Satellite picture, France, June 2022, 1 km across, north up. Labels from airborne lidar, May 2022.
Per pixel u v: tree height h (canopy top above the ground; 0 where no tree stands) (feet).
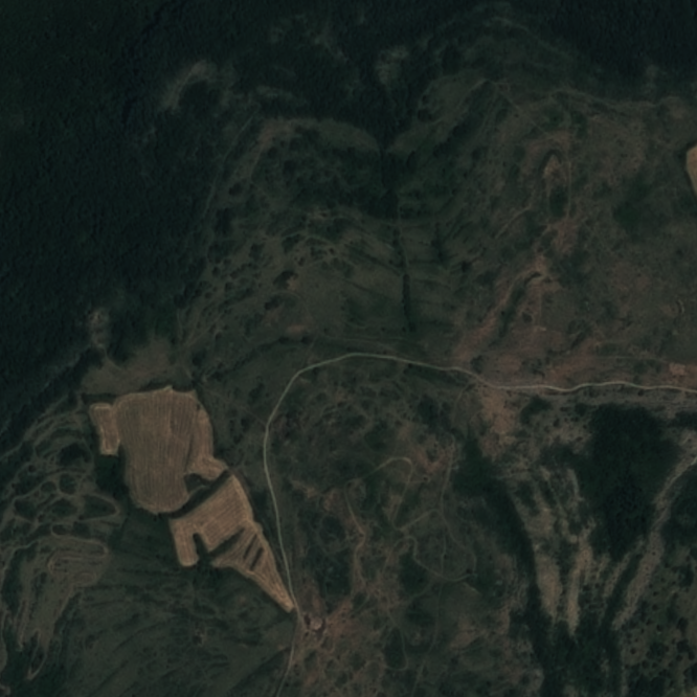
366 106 20
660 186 0
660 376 0
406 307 28
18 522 0
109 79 78
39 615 0
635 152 0
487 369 0
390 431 0
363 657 0
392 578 0
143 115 26
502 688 0
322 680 0
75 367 27
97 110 45
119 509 0
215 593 0
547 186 0
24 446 22
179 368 0
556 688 19
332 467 0
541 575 0
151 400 0
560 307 0
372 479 0
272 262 0
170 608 0
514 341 0
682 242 0
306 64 39
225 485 0
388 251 0
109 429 0
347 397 0
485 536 0
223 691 0
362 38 36
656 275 0
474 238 0
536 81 0
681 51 60
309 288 0
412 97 32
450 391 0
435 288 0
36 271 43
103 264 37
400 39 37
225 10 45
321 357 0
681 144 0
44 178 50
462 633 0
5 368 36
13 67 62
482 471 18
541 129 0
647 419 31
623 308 0
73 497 0
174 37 45
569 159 0
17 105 26
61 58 58
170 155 29
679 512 24
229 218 27
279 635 0
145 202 30
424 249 0
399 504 0
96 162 56
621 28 50
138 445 0
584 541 0
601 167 0
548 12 29
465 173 19
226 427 0
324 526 0
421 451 0
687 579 19
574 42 33
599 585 18
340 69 33
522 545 22
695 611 0
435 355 0
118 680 0
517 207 0
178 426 0
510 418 0
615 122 0
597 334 0
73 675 0
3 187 63
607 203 0
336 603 0
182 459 0
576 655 19
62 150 41
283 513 0
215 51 27
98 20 60
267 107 29
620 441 32
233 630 0
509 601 0
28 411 28
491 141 0
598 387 0
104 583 0
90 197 54
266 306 26
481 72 0
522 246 0
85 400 21
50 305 46
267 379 0
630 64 41
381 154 21
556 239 0
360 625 0
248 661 0
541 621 23
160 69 20
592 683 27
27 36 62
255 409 0
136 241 50
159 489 0
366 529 0
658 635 0
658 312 0
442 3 56
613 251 0
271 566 0
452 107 0
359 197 18
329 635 0
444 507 0
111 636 0
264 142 0
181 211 33
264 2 47
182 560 0
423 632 0
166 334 0
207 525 0
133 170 38
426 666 0
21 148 37
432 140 0
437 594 0
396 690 0
